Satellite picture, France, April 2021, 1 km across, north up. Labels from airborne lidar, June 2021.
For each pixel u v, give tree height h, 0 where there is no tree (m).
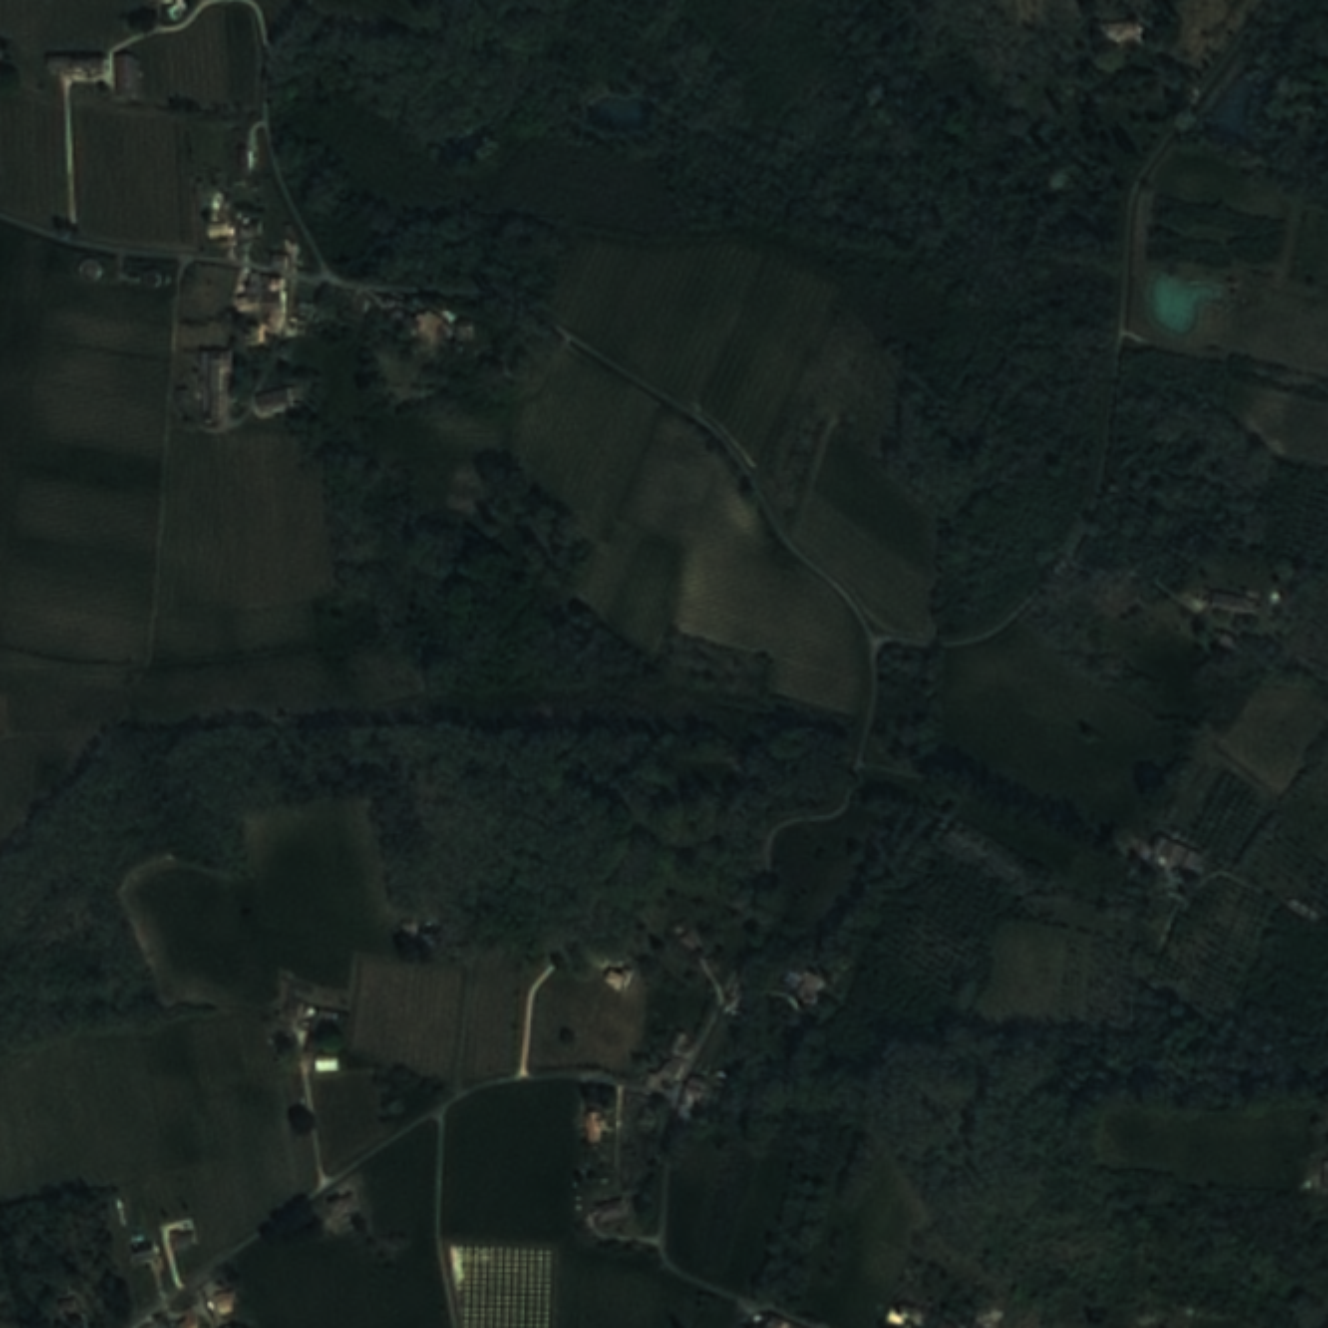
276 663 0
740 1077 13
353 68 23
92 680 0
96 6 0
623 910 23
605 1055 0
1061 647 16
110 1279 8
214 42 0
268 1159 0
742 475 11
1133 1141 0
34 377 0
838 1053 6
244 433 0
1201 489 11
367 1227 16
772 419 0
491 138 16
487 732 22
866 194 13
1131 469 6
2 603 0
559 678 29
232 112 10
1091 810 0
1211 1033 9
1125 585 15
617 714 6
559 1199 0
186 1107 0
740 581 0
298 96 13
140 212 0
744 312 0
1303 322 0
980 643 0
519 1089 0
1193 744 6
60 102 0
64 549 0
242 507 0
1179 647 0
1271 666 17
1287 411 0
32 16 0
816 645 0
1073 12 9
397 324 11
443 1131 0
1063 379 7
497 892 17
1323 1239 9
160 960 0
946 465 25
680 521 0
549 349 16
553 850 19
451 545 21
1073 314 12
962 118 20
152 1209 0
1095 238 28
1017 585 6
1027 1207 15
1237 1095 19
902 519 0
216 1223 0
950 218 18
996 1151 21
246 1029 0
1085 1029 12
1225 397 9
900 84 21
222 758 21
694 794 11
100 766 21
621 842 21
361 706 0
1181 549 8
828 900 0
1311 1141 0
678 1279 0
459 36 30
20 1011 20
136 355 0
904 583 0
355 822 0
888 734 13
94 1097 0
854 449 0
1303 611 7
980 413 11
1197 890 5
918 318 0
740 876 18
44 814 14
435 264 17
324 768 13
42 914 9
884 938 9
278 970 0
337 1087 0
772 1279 12
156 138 0
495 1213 0
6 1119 0
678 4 13
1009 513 9
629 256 0
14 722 0
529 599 25
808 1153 12
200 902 0
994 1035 22
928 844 18
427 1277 0
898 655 10
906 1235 0
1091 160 8
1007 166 7
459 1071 0
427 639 9
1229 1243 19
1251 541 14
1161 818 12
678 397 0
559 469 0
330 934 0
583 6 7
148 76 0
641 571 0
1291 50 17
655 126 22
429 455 0
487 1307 0
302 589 0
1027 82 14
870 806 16
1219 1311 12
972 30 20
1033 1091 8
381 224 19
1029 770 0
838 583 0
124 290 0
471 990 0
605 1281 0
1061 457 10
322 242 8
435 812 15
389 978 0
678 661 14
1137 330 0
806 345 0
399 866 17
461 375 8
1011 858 7
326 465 10
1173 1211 7
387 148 0
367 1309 0
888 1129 24
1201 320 0
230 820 21
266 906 0
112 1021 27
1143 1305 7
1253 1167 0
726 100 18
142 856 13
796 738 26
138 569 0
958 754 0
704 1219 0
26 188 0
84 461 0
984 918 6
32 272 0
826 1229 9
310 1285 0
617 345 0
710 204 19
